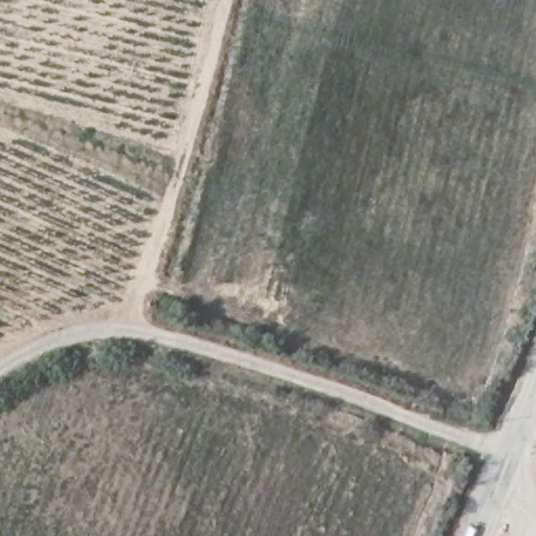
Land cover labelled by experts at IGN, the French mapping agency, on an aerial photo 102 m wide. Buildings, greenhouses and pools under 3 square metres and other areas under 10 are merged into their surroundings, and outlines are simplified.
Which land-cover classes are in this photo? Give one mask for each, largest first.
<instances>
[{"label":"agricultural land","instance_id":"1","mask_svg":"<svg viewBox=\"0 0 536 536\"><path fill-rule=\"evenodd\" d=\"M174 230L168 249L161 253L157 266V293L186 297L182 310L195 312V329L214 322L222 327H232L235 318L243 322H260L255 331L264 335L268 333L274 339L278 356L295 354L306 341H310L312 348L327 345L341 354H352L362 360L389 364L406 373L421 375L423 379L436 381L440 387L448 392H465L471 398V402H479V398L486 392L492 389L494 379H500L505 373H509L507 362L515 352L513 343L509 341V331L521 318V306L526 297L521 291V283L526 278L528 266L536 262V0H232L230 17L222 38L218 69L207 96V107L193 147L188 174L176 201V211L172 220ZM153 354L142 364L140 377H136L134 381L86 373L77 381L48 385L44 392L34 394L31 398L21 402L15 410L0 415V536H454L461 517L467 513L471 492L477 486V479L486 467L479 452L454 444L450 440L429 436L406 423L394 421L364 406L345 402L341 398L318 394L258 371L243 369L239 364L211 358L209 377H191L188 364H178L168 356L172 348L151 341Z\"/></svg>","mask_w":536,"mask_h":536},{"label":"vineyard","instance_id":"2","mask_svg":"<svg viewBox=\"0 0 536 536\"><path fill-rule=\"evenodd\" d=\"M207 0H0V331L6 329L8 333H21L31 327V322L50 320L54 314L71 310H98L109 302H121L126 283L132 281V270L138 260L140 245H144V239H149L144 222H151V218L161 209L165 188L174 176V159L170 155L159 153V149L163 142L161 138H168L174 119H178V101L184 98L191 73V65H180V69L176 71L165 67H153L147 59L168 63L174 57H195V44L191 42V36L199 27V21H188L186 13L203 8Z\"/></svg>","mask_w":536,"mask_h":536},{"label":"pervious surface","instance_id":"3","mask_svg":"<svg viewBox=\"0 0 536 536\"><path fill-rule=\"evenodd\" d=\"M232 0H207L203 8L186 13L188 21H199V27L191 36V42L195 44V57H174L168 63L147 59L153 67H165L176 71L180 69V65H191V73L184 98L178 101V119H174L168 138H161L163 142L159 149V153L170 155L174 159V176L165 188L161 209L151 218V222H144L149 239H144V245H140L138 260L132 270V281L126 283L121 302H109L98 310H71L54 314L50 320L31 322V327L21 333H8L6 329L0 331V373L8 375L10 371L21 369L23 364L40 358L46 352L67 348L73 343H84L90 339L132 337L151 341L172 348L203 358H211L239 364L243 369L258 371L318 394L341 398L345 402L364 406L394 421L406 423L429 436L450 440L454 444L479 452L486 467L477 479V486L471 492L467 513L461 517L454 536H536V343L528 360L526 375L515 383L509 408L503 415V423L498 425V429L490 433H479L436 421L427 415L410 412L362 389L318 375H310L306 371H297L293 366H285L276 360L255 356L251 352H239L186 333H174L155 327L151 322V299L157 293V266L161 253L168 249L174 230L172 220L176 211V201L188 174L193 147L207 107V96L218 69L222 38L230 17Z\"/></svg>","mask_w":536,"mask_h":536},{"label":"herbaceous vegetation","instance_id":"4","mask_svg":"<svg viewBox=\"0 0 536 536\"><path fill-rule=\"evenodd\" d=\"M521 291L526 297L521 306V318L509 331V341L513 343L515 352L507 362L509 373H505L500 379H494L492 389L486 392L479 398V402H471V398L465 392H448L440 387L436 381L423 379L421 375L406 373L389 364L362 360L352 354H341L327 345L312 348L310 341H306L295 354L278 356L274 339L268 333L264 335L255 331L260 322H243L235 318L232 327H222L214 322L195 329V312L182 310L186 297L157 293L151 299V322L155 327L174 333H186L239 352H251L255 356L276 360L285 366H293L297 371H306L310 375H318L362 389L410 412L427 415L436 421L479 433H490L498 429V425L503 423V415L509 408L515 383L526 375L528 360L536 343V262L528 266L526 278L521 283Z\"/></svg>","mask_w":536,"mask_h":536},{"label":"brushwood","instance_id":"5","mask_svg":"<svg viewBox=\"0 0 536 536\"><path fill-rule=\"evenodd\" d=\"M153 354L151 341L132 337L90 339L84 343H73L67 348L46 352L40 358L23 364L21 369L10 371L8 375L0 373V415L15 410L21 402L31 398L34 394L44 392L48 385L77 381L86 373L134 381L136 377H140L142 364ZM168 356L178 364H188L191 377H209L211 358H203L172 348Z\"/></svg>","mask_w":536,"mask_h":536}]
</instances>
